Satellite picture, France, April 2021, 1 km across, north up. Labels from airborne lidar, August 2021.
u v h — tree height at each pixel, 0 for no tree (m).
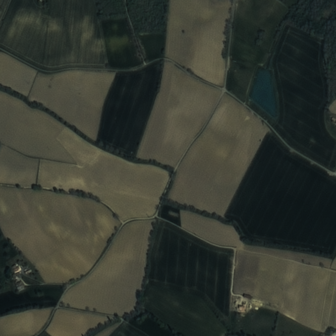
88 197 19
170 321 0
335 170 0
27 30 0
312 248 0
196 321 0
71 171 0
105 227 0
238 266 0
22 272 0
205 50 0
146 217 0
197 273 0
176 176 22
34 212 0
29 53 0
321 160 0
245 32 0
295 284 0
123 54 0
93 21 0
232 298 0
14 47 0
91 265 0
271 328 0
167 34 9
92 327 0
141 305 16
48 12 0
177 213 0
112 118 0
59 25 0
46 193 0
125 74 0
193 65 0
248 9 0
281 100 0
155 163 14
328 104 14
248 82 0
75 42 0
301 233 0
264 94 0
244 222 0
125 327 0
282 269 0
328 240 0
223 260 0
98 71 0
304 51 0
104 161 0
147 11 12
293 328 0
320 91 0
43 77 0
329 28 15
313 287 0
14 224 0
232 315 0
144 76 0
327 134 0
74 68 0
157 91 9
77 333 0
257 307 0
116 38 0
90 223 0
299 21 9
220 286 0
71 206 0
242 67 0
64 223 0
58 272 0
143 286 12
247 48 0
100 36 0
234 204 0
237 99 0
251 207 0
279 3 0
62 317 0
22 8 0
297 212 0
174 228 0
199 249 0
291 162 0
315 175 0
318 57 0
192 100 0
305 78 0
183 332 0
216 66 0
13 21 0
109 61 0
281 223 0
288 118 0
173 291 0
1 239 19
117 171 0
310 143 0
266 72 0
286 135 0
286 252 0
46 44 0
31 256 0
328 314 0
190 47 0
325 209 0
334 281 0
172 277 0
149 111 0
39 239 0
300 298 0
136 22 14
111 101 0
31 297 0
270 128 0
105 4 13
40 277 0
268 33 0
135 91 0
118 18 18
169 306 0
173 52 0
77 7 0
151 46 0
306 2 14
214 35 0
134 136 0
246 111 0
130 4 13
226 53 10
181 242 0
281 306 0
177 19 0
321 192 0
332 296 0
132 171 0
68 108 0
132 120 0
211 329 0
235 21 0
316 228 0
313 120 0
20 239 0
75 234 0
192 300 0
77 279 7
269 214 0
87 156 0
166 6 11
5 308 0
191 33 0
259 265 0
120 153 11
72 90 0
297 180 0
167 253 0
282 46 0
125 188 0
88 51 0
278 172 0
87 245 0
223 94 0
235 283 0
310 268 0
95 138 0
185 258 0
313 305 0
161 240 0
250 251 0
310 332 0
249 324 0
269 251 0
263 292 0
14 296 0
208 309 0
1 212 0
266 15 0
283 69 0
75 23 0
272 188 0
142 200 0
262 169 0
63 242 0
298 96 0
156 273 0
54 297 0
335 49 23
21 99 15
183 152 0
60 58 0
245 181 0
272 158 0
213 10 0
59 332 0
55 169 0
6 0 0
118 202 0
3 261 0
